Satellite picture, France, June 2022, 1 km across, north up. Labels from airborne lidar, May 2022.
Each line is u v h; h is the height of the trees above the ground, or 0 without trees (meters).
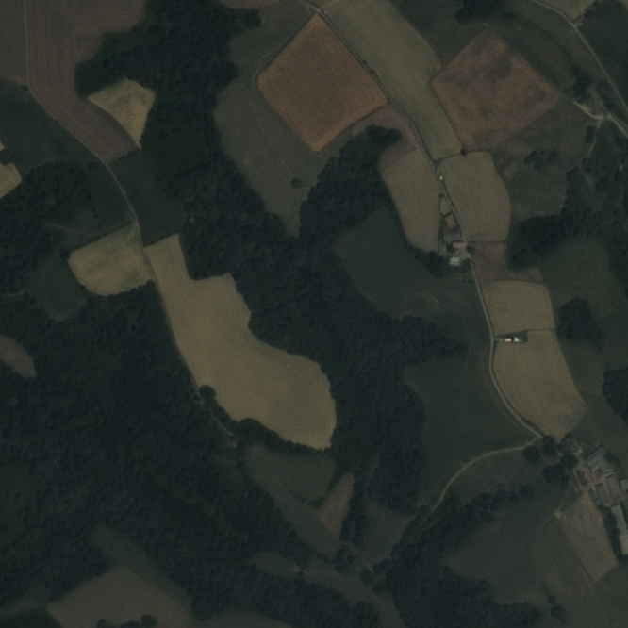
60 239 0
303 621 19
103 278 0
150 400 21
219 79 19
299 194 0
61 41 0
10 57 0
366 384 21
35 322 7
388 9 0
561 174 0
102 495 10
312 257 23
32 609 0
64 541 16
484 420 0
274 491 0
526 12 0
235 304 0
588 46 0
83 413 16
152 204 0
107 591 0
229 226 19
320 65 0
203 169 17
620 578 0
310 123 0
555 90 0
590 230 18
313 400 0
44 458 16
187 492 24
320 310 25
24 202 13
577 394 0
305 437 0
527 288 0
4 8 0
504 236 0
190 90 17
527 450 11
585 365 0
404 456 21
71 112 0
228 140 0
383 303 0
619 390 27
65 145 0
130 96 0
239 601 17
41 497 10
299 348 17
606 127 0
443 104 0
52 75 0
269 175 0
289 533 12
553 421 0
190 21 8
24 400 8
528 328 0
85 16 0
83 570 9
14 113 0
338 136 0
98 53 0
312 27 0
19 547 16
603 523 0
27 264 19
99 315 20
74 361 8
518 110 0
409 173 0
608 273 0
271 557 0
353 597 0
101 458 15
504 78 0
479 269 0
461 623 19
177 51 20
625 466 0
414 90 0
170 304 0
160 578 0
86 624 0
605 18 0
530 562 0
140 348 14
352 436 22
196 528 14
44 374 20
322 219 19
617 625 0
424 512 17
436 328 19
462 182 0
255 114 0
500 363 0
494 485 0
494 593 0
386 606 0
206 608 19
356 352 19
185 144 0
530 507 0
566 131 0
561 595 0
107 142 0
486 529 0
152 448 11
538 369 0
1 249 17
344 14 0
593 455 0
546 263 0
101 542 0
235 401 0
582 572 0
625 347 0
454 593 25
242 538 24
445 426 0
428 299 0
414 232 0
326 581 0
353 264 0
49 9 0
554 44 0
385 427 17
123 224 0
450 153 0
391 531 0
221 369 0
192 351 0
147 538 14
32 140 0
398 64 0
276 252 17
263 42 0
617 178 15
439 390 0
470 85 0
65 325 10
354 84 0
